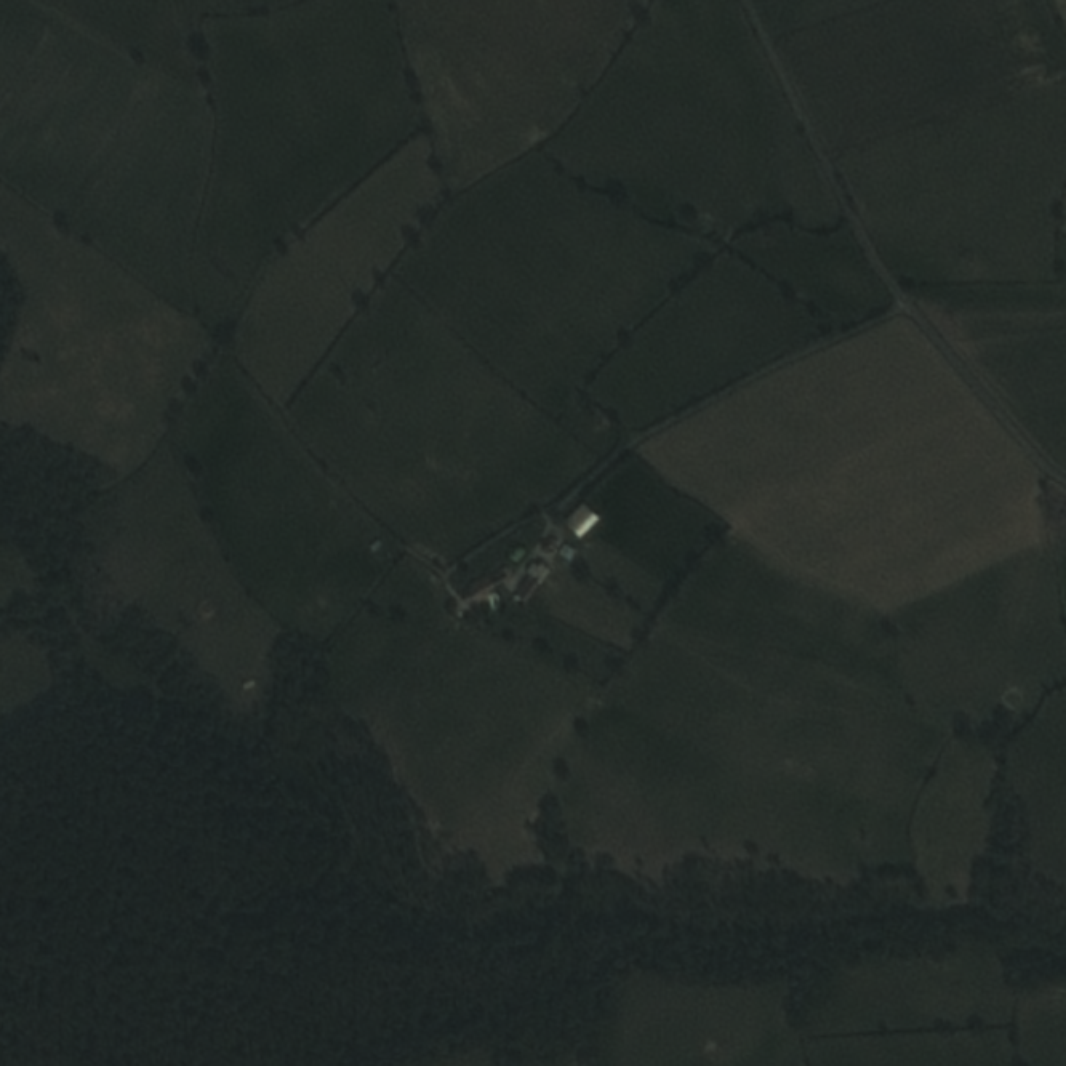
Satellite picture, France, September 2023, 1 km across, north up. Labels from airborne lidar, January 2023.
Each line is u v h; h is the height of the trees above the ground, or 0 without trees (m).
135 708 24
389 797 15
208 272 0
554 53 0
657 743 0
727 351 0
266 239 0
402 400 0
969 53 0
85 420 0
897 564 0
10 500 16
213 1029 18
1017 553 0
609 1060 0
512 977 18
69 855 24
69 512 14
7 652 0
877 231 0
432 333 0
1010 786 7
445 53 0
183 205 0
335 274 0
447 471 0
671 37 0
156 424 0
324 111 0
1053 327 0
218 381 0
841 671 0
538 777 0
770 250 0
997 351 0
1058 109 0
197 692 9
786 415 0
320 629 0
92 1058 22
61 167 0
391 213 0
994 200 0
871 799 0
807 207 0
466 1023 22
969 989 0
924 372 0
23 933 24
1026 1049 0
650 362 0
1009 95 0
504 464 0
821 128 0
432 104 0
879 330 0
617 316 0
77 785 24
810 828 0
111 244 0
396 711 0
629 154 0
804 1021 13
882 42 0
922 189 0
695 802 0
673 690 0
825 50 0
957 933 12
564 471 0
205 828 24
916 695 0
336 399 0
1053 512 0
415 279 0
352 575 0
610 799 0
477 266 0
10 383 0
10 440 10
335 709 14
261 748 17
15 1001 23
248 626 0
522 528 0
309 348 0
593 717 0
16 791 20
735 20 0
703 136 0
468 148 0
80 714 25
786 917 20
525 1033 22
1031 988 17
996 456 0
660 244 0
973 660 0
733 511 0
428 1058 12
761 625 0
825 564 0
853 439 0
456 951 19
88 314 0
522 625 0
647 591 0
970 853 0
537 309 0
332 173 0
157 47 0
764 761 0
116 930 21
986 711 0
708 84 0
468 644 0
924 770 0
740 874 10
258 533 0
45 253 0
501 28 0
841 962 8
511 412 0
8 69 0
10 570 0
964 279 0
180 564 0
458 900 10
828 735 0
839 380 0
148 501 0
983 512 0
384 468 0
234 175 0
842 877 0
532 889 14
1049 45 0
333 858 20
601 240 0
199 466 13
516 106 0
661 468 0
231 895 20
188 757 23
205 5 0
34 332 0
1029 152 0
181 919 25
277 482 0
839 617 0
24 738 23
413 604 0
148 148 0
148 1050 23
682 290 10
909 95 0
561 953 12
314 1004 18
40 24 0
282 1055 17
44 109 0
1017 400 0
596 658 0
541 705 0
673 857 0
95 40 0
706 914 18
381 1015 18
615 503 0
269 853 21
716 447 0
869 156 0
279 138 0
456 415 0
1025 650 0
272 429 0
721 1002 0
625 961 16
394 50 0
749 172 0
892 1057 0
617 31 0
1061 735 0
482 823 0
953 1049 0
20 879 23
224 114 0
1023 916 14
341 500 0
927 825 0
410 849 14
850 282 0
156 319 0
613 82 0
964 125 0
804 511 0
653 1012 0
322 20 0
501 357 0
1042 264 0
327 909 21
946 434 0
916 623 0
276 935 25
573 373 0
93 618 9
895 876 13
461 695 0
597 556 0
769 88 0
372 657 0
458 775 0
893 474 0
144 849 26
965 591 0
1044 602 0
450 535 0
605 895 23
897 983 0
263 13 7
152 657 10
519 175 0
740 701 0
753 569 0
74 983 24
